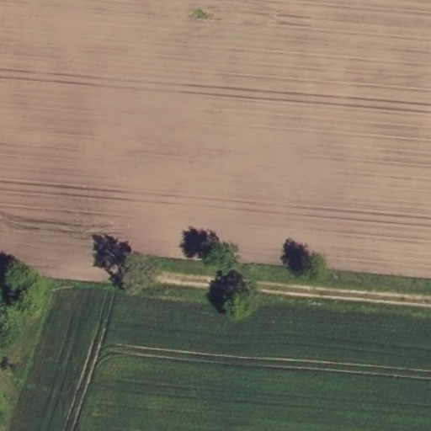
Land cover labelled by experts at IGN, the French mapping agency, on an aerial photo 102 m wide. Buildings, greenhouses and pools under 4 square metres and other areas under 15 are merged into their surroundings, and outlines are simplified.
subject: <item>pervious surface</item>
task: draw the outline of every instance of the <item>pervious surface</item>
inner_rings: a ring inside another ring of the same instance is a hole
[[[258,281],[258,291],[268,295],[431,308],[431,295],[318,285],[296,283]]]
[[[241,273],[237,271],[219,271],[215,278],[212,278],[204,274],[163,271],[157,276],[158,283],[209,288],[207,295],[210,305],[222,313],[226,311],[224,301],[234,298],[236,293],[237,286],[242,281]]]

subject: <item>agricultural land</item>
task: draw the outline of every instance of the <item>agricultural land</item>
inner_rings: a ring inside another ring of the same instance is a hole
[[[162,256],[177,259],[184,259],[185,256],[190,259],[204,258],[214,249],[215,242],[221,241],[236,244],[237,261],[241,263],[278,264],[293,271],[303,271],[303,264],[310,253],[320,254],[328,268],[431,278],[431,0],[0,0],[0,274],[7,273],[13,259],[19,259],[20,263],[37,269],[40,276],[79,281],[109,281],[113,285],[109,286],[109,291],[76,288],[52,290],[49,303],[45,306],[47,317],[42,328],[39,352],[35,352],[34,362],[17,406],[0,428],[0,431],[431,431],[431,318],[328,310],[320,306],[301,308],[285,300],[263,306],[264,315],[256,320],[253,330],[224,330],[221,325],[222,313],[210,305],[207,295],[202,300],[157,300],[146,288],[138,295],[126,295],[126,291],[120,288],[123,286],[123,276],[130,271],[130,266],[125,263],[126,254],[133,249],[138,253]]]

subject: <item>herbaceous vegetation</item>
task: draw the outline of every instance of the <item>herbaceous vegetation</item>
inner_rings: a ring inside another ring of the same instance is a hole
[[[157,300],[202,300],[207,295],[209,288],[158,283],[157,286],[146,288]]]
[[[328,268],[325,271],[325,278],[318,285],[431,295],[431,278]]]
[[[47,317],[45,306],[49,303],[52,290],[76,288],[109,291],[109,286],[113,285],[109,281],[79,281],[40,276],[37,285],[24,293],[20,300],[13,301],[7,313],[0,315],[0,428],[17,406],[34,362],[35,352],[39,352],[42,328]]]
[[[158,266],[163,271],[204,274],[212,278],[215,278],[219,271],[237,271],[241,273],[242,281],[237,286],[236,293],[242,296],[258,296],[263,306],[285,300],[301,308],[320,306],[328,310],[431,318],[431,308],[268,295],[258,291],[258,281],[296,283],[296,274],[293,271],[278,264],[241,263],[237,261],[236,244],[221,241],[215,242],[214,249],[204,258],[190,259],[185,256],[184,259],[177,259],[162,256],[158,259]]]

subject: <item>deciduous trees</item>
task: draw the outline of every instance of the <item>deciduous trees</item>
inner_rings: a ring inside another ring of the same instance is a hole
[[[263,306],[258,296],[242,296],[236,293],[234,298],[224,301],[226,311],[222,313],[221,325],[224,330],[253,330],[256,320],[264,315]]]
[[[320,254],[310,253],[303,264],[303,271],[293,271],[296,274],[296,283],[318,285],[325,278],[325,271],[328,268]]]

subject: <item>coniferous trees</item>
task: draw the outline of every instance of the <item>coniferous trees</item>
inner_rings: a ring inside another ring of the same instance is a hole
[[[162,256],[138,253],[133,249],[126,254],[125,263],[130,266],[130,271],[123,276],[123,286],[120,288],[126,291],[126,295],[138,295],[146,288],[157,286],[158,283],[157,276],[163,271],[158,266],[158,259]]]
[[[0,315],[7,313],[13,301],[20,300],[24,293],[37,285],[40,276],[37,269],[20,263],[19,259],[13,259],[7,273],[0,274]]]

